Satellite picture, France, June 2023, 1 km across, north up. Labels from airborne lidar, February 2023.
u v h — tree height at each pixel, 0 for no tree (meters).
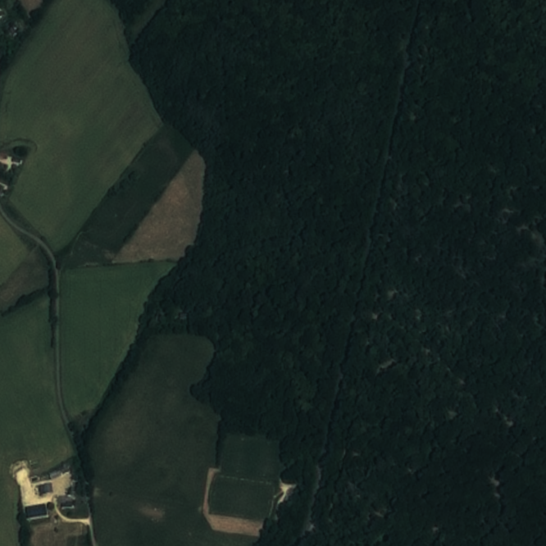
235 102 21
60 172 0
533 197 27
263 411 21
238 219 23
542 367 28
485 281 22
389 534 25
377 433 28
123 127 0
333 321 21
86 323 0
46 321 0
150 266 0
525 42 21
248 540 0
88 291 0
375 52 22
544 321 22
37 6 0
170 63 15
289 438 19
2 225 0
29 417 0
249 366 22
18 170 11
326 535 24
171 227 0
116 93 0
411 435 25
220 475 0
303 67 20
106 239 0
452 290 26
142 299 0
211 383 18
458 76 22
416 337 20
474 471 32
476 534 29
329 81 28
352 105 25
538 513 30
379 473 24
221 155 22
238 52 27
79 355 0
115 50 0
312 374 30
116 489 0
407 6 28
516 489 29
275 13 20
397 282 20
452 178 26
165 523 0
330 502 8
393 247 20
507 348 26
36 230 0
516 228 17
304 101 25
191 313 18
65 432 0
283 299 32
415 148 27
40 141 0
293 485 14
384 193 24
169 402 0
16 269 0
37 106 0
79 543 0
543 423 28
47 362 0
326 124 21
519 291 23
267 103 22
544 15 20
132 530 0
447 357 26
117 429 0
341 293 27
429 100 19
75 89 0
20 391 0
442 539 23
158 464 0
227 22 28
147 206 0
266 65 20
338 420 30
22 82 0
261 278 25
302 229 25
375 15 23
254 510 0
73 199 0
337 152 28
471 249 21
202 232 12
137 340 6
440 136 19
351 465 13
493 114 24
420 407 28
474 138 19
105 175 0
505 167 18
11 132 0
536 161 22
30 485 0
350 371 32
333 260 24
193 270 22
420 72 28
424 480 33
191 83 23
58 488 0
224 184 21
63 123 0
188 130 26
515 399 27
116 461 0
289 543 19
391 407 28
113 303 0
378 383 30
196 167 0
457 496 31
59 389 0
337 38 20
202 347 0
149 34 20
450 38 20
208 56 24
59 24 0
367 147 19
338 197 25
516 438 30
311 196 27
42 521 0
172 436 0
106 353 0
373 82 23
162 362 0
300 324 21
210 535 0
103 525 0
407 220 16
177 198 0
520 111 22
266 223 8
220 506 0
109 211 0
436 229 19
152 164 0
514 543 27
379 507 31
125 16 17
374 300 8
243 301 28
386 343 27
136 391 0
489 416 29
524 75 22
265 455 0
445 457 25
